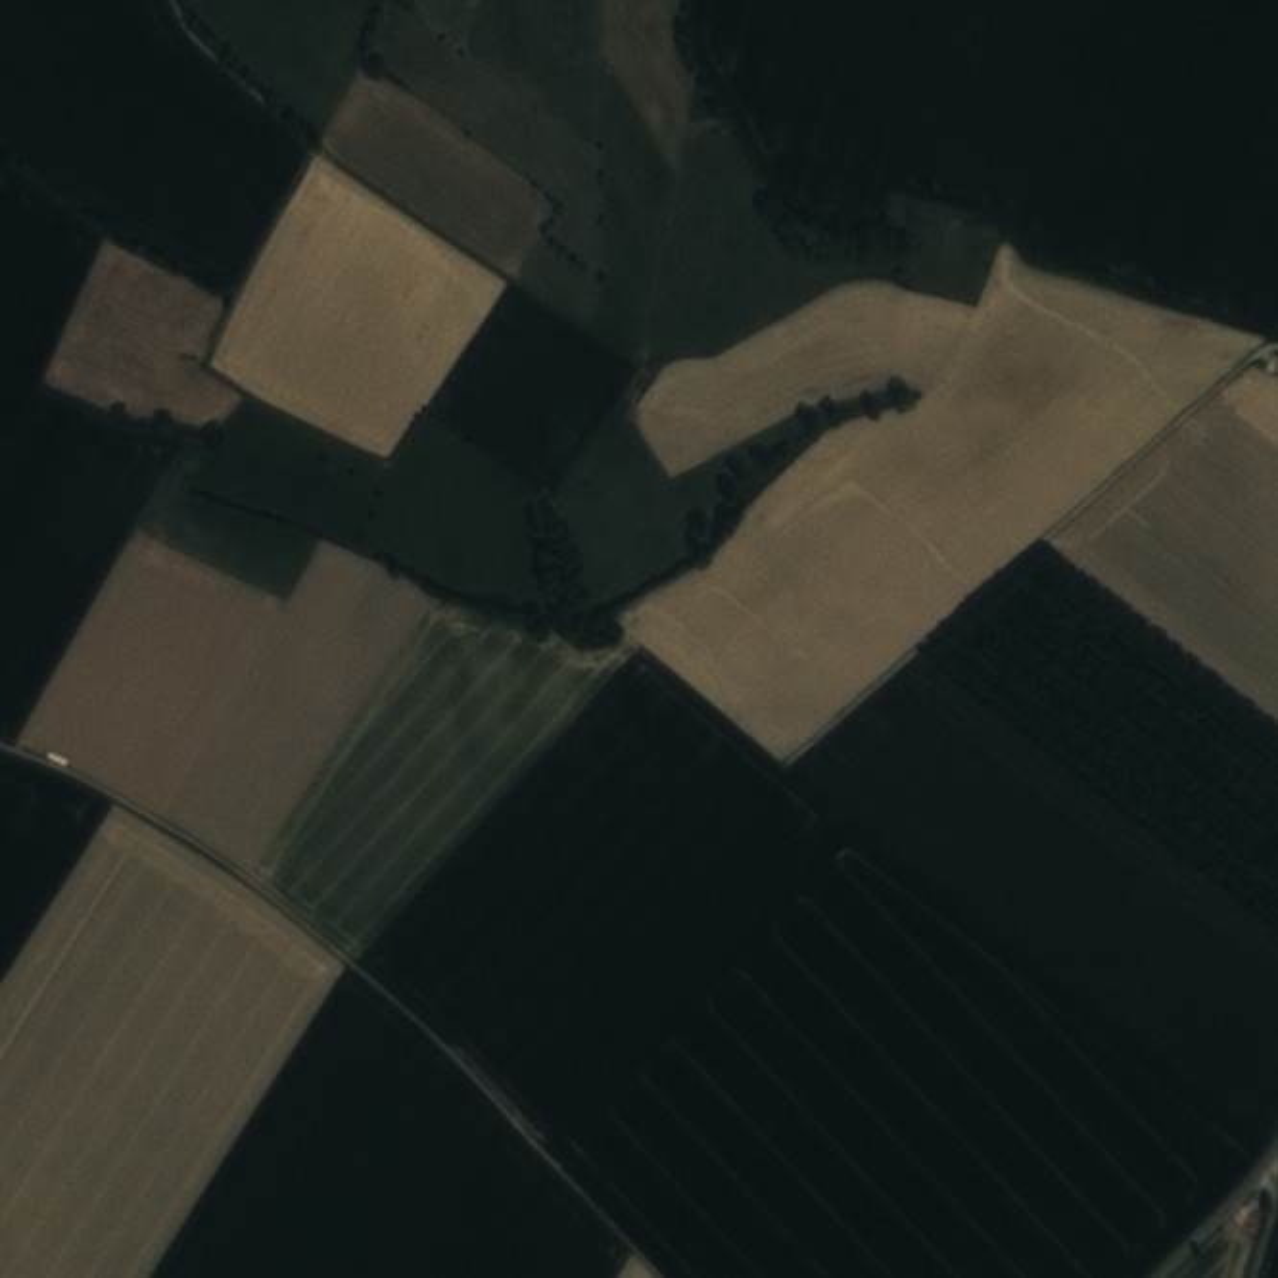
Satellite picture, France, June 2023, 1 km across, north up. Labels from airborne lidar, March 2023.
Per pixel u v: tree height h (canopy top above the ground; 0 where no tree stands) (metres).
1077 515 0
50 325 0
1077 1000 0
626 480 0
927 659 12
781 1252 0
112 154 0
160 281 0
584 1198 0
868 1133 0
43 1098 0
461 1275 0
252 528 0
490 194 0
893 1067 0
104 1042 0
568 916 0
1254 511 0
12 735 0
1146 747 10
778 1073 0
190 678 0
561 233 0
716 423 0
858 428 0
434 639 0
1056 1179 0
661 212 0
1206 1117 0
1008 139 0
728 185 0
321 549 0
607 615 10
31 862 0
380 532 0
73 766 0
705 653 0
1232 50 0
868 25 0
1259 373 0
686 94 0
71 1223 0
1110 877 0
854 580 0
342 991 0
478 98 0
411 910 0
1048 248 0
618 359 0
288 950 0
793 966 0
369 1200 0
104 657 0
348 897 0
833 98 0
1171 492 0
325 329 0
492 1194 0
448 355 0
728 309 0
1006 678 12
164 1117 0
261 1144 0
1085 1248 0
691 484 0
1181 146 0
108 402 0
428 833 0
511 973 0
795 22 0
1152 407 0
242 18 0
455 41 0
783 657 0
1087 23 0
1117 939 0
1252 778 11
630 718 0
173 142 0
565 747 0
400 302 0
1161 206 0
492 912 0
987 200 0
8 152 9
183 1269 0
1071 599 12
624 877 0
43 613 0
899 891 0
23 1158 0
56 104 0
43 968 0
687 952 0
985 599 16
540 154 0
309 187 0
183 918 0
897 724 0
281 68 0
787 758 0
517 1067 0
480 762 0
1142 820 16
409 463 0
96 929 0
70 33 0
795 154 0
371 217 0
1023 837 0
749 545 0
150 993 0
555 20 0
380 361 0
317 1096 0
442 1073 0
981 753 0
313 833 0
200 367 0
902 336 0
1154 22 0
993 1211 0
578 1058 0
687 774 0
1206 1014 0
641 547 0
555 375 0
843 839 0
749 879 0
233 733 0
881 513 0
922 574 0
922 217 0
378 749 0
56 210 0
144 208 0
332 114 0
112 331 0
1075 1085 0
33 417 0
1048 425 0
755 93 0
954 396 0
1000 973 0
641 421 0
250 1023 0
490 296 0
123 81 0
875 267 0
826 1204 0
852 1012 0
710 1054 0
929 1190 0
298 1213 0
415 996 0
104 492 0
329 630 0
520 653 0
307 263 0
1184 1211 0
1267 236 0
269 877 0
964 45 0
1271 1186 0
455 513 0
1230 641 0
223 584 0
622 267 0
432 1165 0
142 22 0
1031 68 0
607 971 0
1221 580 0
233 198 0
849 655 0
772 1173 0
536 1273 0
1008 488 0
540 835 0
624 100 0
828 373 0
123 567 0
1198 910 0
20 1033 0
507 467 0
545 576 23
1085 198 0
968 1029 0
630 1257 0
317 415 0
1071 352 0
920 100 0
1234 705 14
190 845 0
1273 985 0
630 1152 0
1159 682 10
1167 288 0
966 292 0
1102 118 0
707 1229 0
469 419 0
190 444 0
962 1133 0
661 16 0
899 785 0
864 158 0
